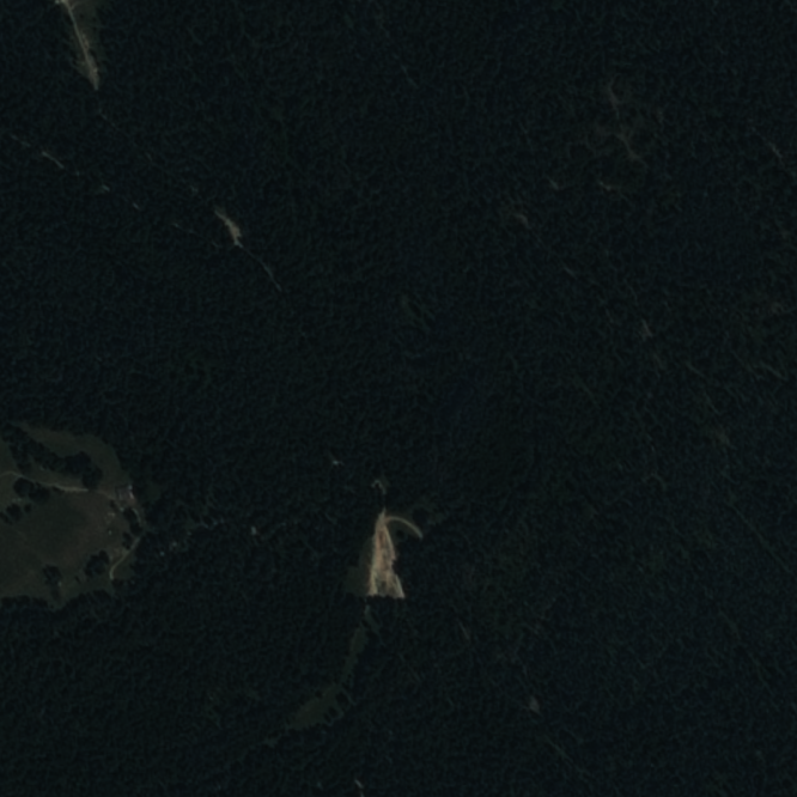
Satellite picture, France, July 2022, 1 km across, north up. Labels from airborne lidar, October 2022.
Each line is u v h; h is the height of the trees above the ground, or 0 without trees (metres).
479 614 9
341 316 19
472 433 17
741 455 12
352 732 16
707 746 20
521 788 24
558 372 14
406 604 14
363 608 13
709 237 15
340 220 14
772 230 22
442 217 27
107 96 22
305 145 11
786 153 27
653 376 23
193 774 22
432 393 14
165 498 16
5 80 12
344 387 21
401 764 18
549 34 18
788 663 24
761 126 12
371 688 14
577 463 26
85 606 17
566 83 13
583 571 22
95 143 18
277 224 19
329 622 17
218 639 16
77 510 0
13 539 0
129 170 15
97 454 0
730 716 15
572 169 18
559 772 9
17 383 22
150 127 14
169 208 28
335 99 13
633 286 26
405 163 17
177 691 19
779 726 16
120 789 23
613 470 7
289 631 16
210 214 17
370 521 15
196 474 8
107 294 26
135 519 10
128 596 17
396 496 20
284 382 23
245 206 23
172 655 13
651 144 17
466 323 24
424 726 22
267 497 21
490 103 21
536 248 25
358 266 13
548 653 21
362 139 16
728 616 26
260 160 29
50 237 23
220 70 32
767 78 13
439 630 21
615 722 11
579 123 9
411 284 23
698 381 22
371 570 0
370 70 19
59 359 21
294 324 20
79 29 0
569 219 11
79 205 10
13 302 14
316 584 18
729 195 10
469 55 15
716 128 23
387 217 20
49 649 15
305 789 19
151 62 13
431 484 27
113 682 13
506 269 18
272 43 20
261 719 16
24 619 25
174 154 25
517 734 10
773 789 13
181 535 20
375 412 19
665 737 8
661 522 25
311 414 18
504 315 22
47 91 13
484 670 11
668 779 25
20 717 18
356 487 18
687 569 6
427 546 13
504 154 14
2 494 0
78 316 23
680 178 15
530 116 27
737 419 18
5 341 21
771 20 15
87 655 19
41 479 0
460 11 15
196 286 11
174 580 19
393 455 26
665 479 23
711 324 17
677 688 12
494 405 16
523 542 17
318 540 23
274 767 10
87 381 18
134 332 25
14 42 14
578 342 15
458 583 23
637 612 27
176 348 12
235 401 18
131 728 12
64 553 0
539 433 29
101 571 16
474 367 24
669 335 7
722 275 23
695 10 22
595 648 24
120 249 18
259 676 21
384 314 23
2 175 26
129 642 18
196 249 19
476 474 16
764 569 22
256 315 15
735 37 18
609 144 10
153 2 18
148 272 11
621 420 27
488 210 21
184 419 18
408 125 19
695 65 14
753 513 21
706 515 19
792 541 28
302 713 0
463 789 14
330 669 19
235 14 18
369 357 22
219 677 15
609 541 12
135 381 18
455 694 11
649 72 7
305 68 17
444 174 12
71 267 19
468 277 27
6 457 0
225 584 17
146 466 16
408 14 16
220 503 12
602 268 9
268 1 12
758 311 20
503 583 9
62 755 22
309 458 17
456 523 10
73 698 20
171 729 15
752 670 10
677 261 26
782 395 14
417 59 15
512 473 18
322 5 15
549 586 22
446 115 12
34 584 0
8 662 27
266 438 16
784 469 29
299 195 21
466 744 8
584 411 11
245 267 25
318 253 21
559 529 22
